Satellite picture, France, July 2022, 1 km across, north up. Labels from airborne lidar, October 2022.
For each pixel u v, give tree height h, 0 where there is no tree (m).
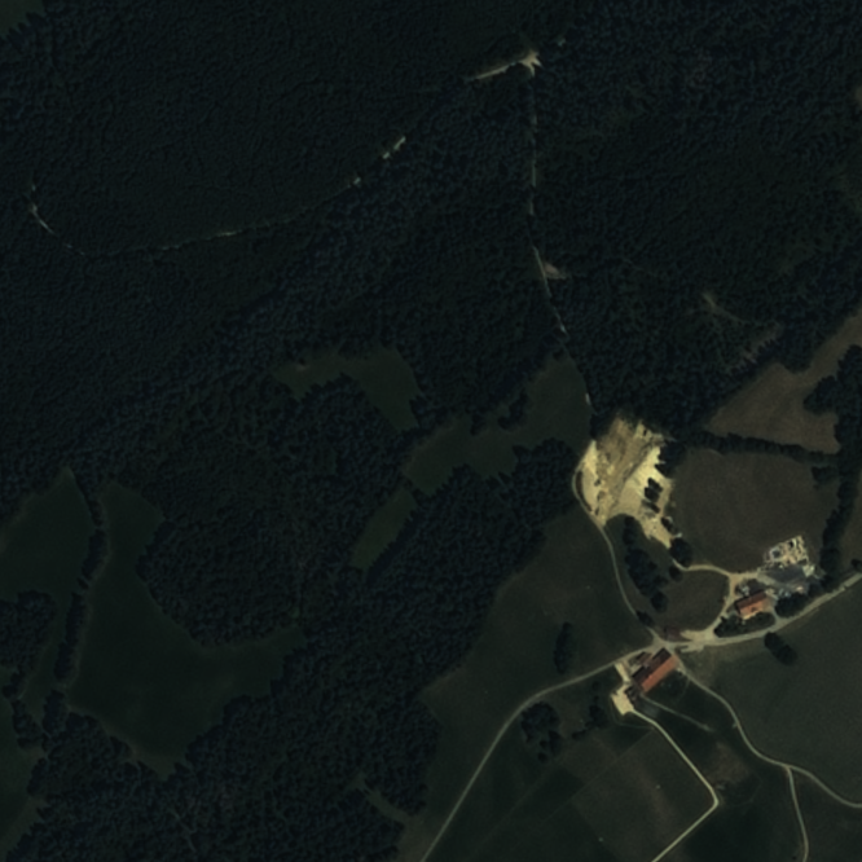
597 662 0
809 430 0
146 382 8
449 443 0
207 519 16
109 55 14
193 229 16
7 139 26
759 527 0
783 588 0
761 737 0
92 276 19
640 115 5
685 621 0
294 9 11
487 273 10
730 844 0
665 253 13
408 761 9
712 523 0
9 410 21
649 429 0
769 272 11
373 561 0
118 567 0
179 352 13
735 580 0
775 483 0
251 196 11
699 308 19
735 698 0
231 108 18
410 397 0
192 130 22
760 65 31
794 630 0
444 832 0
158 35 23
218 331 14
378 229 37
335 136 19
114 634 0
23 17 0
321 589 18
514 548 10
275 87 18
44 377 21
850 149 16
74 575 0
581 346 24
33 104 22
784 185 13
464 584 29
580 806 0
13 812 0
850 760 0
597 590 0
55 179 17
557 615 0
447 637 29
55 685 0
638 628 0
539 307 15
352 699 22
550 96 10
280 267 11
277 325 34
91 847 31
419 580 24
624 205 12
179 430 13
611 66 31
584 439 0
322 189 16
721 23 34
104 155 14
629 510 0
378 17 22
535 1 13
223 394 22
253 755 17
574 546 0
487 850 0
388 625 19
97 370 26
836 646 0
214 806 11
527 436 0
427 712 25
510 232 17
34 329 23
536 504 28
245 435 21
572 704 0
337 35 17
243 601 23
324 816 33
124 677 0
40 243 21
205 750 21
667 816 0
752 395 0
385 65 17
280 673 0
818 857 0
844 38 19
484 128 34
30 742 24
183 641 0
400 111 23
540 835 0
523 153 32
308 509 7
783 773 0
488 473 0
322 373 0
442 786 0
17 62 25
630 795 0
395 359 0
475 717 0
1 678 0
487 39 14
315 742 15
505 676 0
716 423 0
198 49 19
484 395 10
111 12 27
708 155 11
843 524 25
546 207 13
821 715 0
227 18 16
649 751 0
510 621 0
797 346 26
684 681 0
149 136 20
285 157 18
